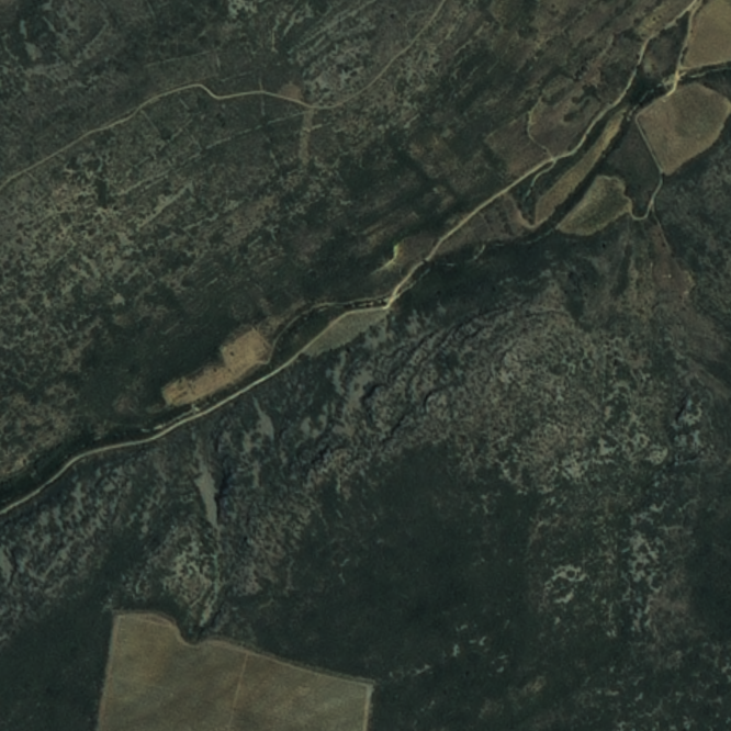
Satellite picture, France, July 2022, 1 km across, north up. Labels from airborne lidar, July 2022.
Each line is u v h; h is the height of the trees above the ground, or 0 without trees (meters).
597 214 0
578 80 7
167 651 0
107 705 0
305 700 0
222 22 0
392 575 0
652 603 0
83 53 0
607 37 0
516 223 0
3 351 8
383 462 0
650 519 0
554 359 0
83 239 0
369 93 0
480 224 0
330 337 0
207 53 0
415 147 0
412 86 0
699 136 0
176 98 0
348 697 0
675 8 0
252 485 0
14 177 0
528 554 0
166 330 0
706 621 0
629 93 8
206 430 0
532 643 0
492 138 0
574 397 0
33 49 0
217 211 0
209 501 0
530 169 0
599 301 0
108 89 0
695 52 0
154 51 0
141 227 0
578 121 0
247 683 0
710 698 0
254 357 0
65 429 0
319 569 0
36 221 0
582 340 0
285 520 0
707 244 0
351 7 0
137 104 0
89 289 0
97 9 0
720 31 0
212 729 0
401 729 0
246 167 0
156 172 0
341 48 0
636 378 0
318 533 0
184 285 6
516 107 0
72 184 0
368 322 0
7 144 0
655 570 0
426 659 0
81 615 0
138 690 0
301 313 8
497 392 0
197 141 0
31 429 8
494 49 0
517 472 0
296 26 0
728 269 0
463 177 0
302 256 0
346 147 0
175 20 0
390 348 0
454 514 0
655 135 0
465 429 0
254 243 0
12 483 15
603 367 0
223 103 0
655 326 0
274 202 0
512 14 0
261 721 0
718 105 0
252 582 0
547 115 0
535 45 0
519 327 0
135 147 0
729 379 0
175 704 0
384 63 0
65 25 0
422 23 0
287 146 0
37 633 0
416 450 0
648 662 0
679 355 0
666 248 0
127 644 0
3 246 0
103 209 0
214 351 6
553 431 0
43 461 12
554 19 0
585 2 0
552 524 0
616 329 0
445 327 0
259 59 0
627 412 0
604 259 0
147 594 0
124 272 0
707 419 0
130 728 0
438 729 0
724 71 7
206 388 0
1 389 6
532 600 0
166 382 6
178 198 0
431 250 0
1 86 0
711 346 0
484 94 0
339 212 0
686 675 0
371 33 0
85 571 0
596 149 0
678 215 0
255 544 0
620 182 0
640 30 0
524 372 0
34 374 5
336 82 0
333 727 0
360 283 0
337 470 0
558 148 0
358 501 0
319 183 0
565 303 0
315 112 0
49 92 0
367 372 0
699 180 0
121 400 0
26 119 0
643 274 0
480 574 0
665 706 0
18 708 0
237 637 0
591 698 0
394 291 0
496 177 0
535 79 0
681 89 0
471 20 0
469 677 7
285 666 0
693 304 0
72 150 0
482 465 0
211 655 0
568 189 0
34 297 7
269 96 0
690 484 0
